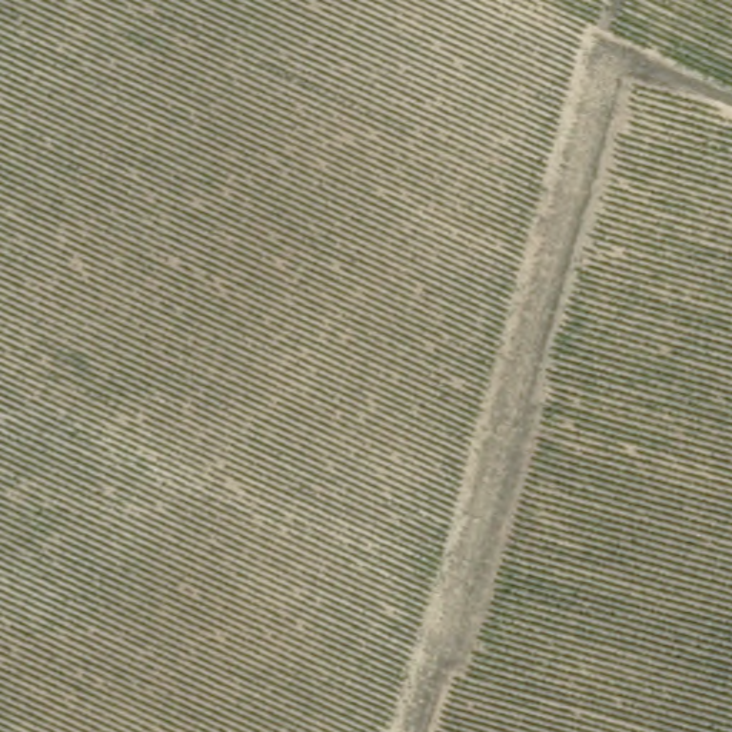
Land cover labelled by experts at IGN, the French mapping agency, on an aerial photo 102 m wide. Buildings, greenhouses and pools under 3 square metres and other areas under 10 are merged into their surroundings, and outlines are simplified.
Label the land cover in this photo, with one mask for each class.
<instances>
[{"label":"vineyard","instance_id":"1","mask_svg":"<svg viewBox=\"0 0 732 732\"><path fill-rule=\"evenodd\" d=\"M0 732H732V0H0Z\"/></svg>","mask_w":732,"mask_h":732}]
</instances>
